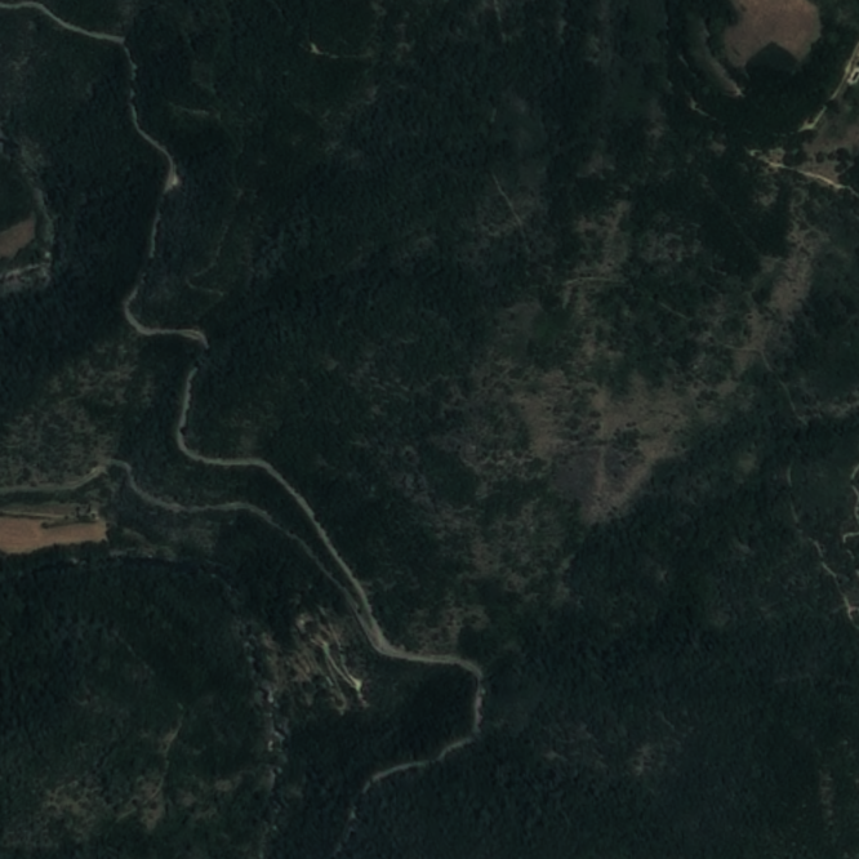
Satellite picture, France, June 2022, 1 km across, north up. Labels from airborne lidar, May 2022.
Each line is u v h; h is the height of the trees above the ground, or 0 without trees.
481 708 10
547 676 8
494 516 8
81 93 6
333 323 13
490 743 14
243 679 9
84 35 10
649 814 6
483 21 7
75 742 8
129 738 9
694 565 14
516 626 8
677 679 10
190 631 16
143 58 13
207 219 7
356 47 14
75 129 12
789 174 8
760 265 10
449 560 7
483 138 8
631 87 0
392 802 18
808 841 9
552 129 7
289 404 7
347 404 6
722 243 10
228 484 8
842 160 10
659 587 9
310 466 6
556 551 7
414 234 7
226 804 7
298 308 15
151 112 12
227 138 6
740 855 10
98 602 14
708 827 6
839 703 8
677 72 7
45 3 8
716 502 8
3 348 15
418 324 6
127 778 12
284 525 12
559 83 9
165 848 7
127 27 7
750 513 10
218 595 6
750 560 8
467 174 9
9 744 15
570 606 8
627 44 8
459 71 13
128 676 7
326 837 12
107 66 14
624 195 8
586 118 9
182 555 15
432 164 11
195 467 11
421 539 9
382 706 6
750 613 7
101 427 10
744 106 11
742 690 10
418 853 7
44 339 13
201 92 12
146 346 9
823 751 8
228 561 13
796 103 11
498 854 8
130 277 7
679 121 9
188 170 6
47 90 10
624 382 6
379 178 13
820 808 8
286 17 10
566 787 7
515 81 9
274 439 10
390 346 8
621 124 6
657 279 6
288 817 6
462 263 8
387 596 8
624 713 9
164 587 12
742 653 8
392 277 9
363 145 12
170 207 7
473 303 9
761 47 0
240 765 7
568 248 7
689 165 5
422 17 8
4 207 7
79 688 12
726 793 9
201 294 8
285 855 8
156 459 8
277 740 6
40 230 13
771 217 10
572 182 7
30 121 10
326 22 9
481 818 22
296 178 9
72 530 0
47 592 9
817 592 9
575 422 6
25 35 8
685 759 7
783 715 9
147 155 11
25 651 17
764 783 9
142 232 10
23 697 18
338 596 13
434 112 11
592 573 10
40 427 7
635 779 8
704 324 7
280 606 9
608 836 7
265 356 13
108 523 7
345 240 12
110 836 6
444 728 13
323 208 15
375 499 8
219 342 8
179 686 8
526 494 6
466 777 12
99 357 6
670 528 7
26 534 0
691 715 7
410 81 12
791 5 0
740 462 0
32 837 9
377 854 11
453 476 8
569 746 8
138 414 7
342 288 15
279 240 29
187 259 8
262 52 12
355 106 6
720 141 7
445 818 10
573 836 8
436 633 6
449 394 7
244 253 7
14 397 9
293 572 11
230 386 11
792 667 6
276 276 10
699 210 7
